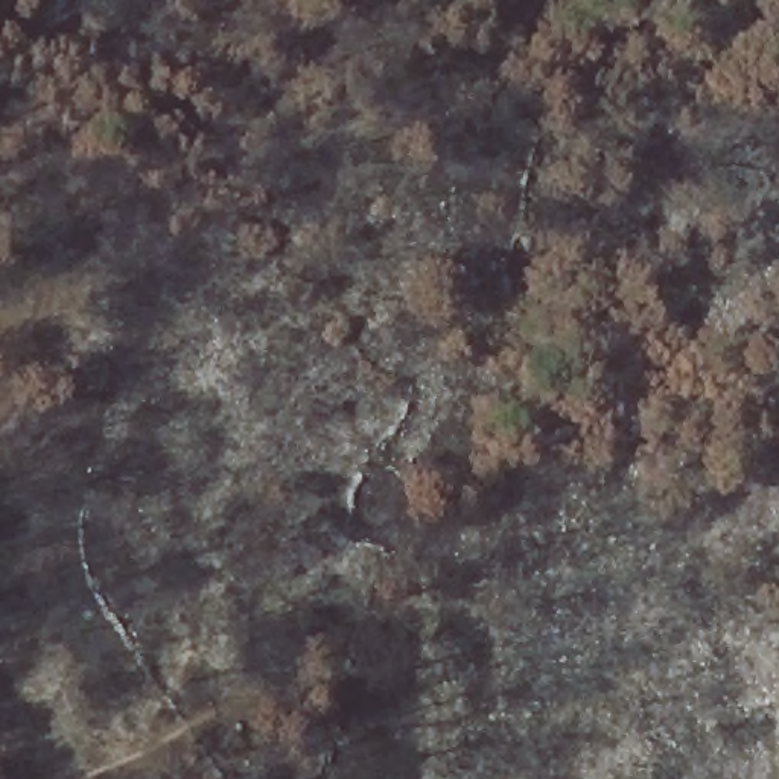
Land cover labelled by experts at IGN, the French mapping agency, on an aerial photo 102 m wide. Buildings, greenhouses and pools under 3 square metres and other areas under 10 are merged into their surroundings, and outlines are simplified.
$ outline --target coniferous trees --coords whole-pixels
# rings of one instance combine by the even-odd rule
[[[310,636],[298,672],[292,672],[292,688],[283,694],[265,694],[262,700],[246,706],[253,727],[250,758],[265,770],[274,770],[280,779],[310,779],[323,773],[323,764],[329,761],[329,752],[316,752],[313,746],[335,730],[338,721],[329,709],[332,669],[323,660],[326,651],[320,639]]]
[[[122,277],[67,271],[52,280],[37,277],[30,271],[33,253],[18,237],[18,225],[6,219],[6,213],[0,213],[0,435],[12,432],[15,426],[24,426],[27,432],[55,432],[67,420],[73,420],[76,399],[70,396],[70,380],[76,377],[79,362],[91,350],[110,341],[103,323],[110,307],[107,286],[122,283]]]
[[[660,225],[666,222],[663,198],[669,186],[703,186],[703,170],[712,161],[715,149],[730,149],[733,143],[752,143],[758,149],[779,146],[779,0],[0,0],[0,192],[15,192],[15,186],[30,180],[43,164],[58,164],[70,180],[100,183],[116,204],[140,201],[155,207],[158,216],[164,216],[164,222],[158,222],[158,231],[164,234],[167,246],[180,246],[183,240],[204,240],[204,231],[210,225],[222,231],[240,231],[243,225],[268,228],[268,207],[304,207],[310,216],[332,198],[338,186],[338,167],[386,164],[390,158],[438,158],[441,164],[478,164],[481,158],[493,155],[508,158],[511,164],[529,158],[536,173],[536,192],[526,210],[526,292],[511,310],[505,310],[511,326],[505,338],[508,347],[481,365],[481,380],[472,402],[472,456],[459,450],[450,469],[423,472],[405,481],[408,514],[399,517],[402,533],[435,548],[456,548],[466,529],[487,517],[499,520],[505,511],[514,511],[520,499],[545,502],[551,487],[603,490],[627,472],[639,484],[639,505],[657,511],[660,520],[672,523],[691,523],[697,517],[718,520],[724,514],[733,514],[742,502],[746,481],[764,487],[779,484],[779,298],[773,295],[773,289],[764,289],[758,298],[755,320],[746,320],[739,329],[730,332],[715,332],[706,323],[709,304],[715,298],[709,237],[691,225],[685,234],[688,253],[669,253],[660,246]]]
[[[761,584],[755,590],[761,612],[724,621],[724,633],[739,633],[746,627],[755,639],[779,630],[779,590]]]

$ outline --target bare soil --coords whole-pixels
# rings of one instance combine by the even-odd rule
[[[627,472],[603,490],[551,487],[545,502],[520,499],[514,511],[505,511],[499,520],[487,517],[466,529],[456,548],[435,548],[402,533],[399,517],[408,514],[405,481],[423,472],[450,469],[459,450],[472,456],[472,402],[481,380],[481,365],[508,347],[505,338],[511,326],[505,310],[511,310],[526,292],[526,210],[536,192],[536,173],[529,158],[511,164],[508,158],[493,155],[481,158],[478,164],[441,164],[438,158],[390,158],[386,164],[338,167],[338,186],[332,198],[310,216],[304,207],[268,207],[268,228],[243,225],[240,231],[222,231],[210,225],[204,231],[204,240],[183,240],[180,246],[167,246],[164,234],[158,231],[158,222],[164,222],[164,216],[158,216],[155,207],[140,201],[116,204],[100,183],[70,180],[58,164],[43,164],[30,180],[15,186],[15,192],[0,192],[0,213],[6,213],[6,219],[18,225],[18,237],[33,253],[30,271],[37,277],[52,280],[67,271],[122,277],[122,283],[107,286],[110,307],[103,323],[110,341],[91,350],[79,362],[76,377],[70,380],[70,396],[76,399],[73,420],[67,420],[55,432],[27,432],[24,426],[15,426],[12,432],[0,435],[0,779],[280,779],[274,770],[265,770],[250,758],[253,727],[246,706],[262,700],[265,694],[283,694],[292,688],[292,672],[298,672],[310,636],[320,639],[326,651],[323,660],[332,669],[329,709],[338,721],[335,730],[313,746],[316,752],[329,752],[329,761],[323,764],[323,773],[310,779],[779,779],[779,630],[755,639],[746,627],[739,633],[724,633],[724,621],[761,612],[755,590],[761,584],[779,590],[779,484],[764,487],[746,481],[742,502],[733,514],[724,514],[718,520],[697,517],[691,523],[672,523],[660,520],[657,511],[639,505],[639,484]]]
[[[730,332],[739,329],[746,320],[755,320],[758,298],[764,289],[773,289],[773,295],[779,298],[779,146],[758,149],[752,143],[733,143],[730,149],[715,149],[712,161],[703,170],[703,186],[669,186],[663,198],[666,222],[660,225],[660,246],[669,253],[688,253],[685,234],[691,225],[709,237],[715,298],[709,304],[706,323],[715,332]]]

